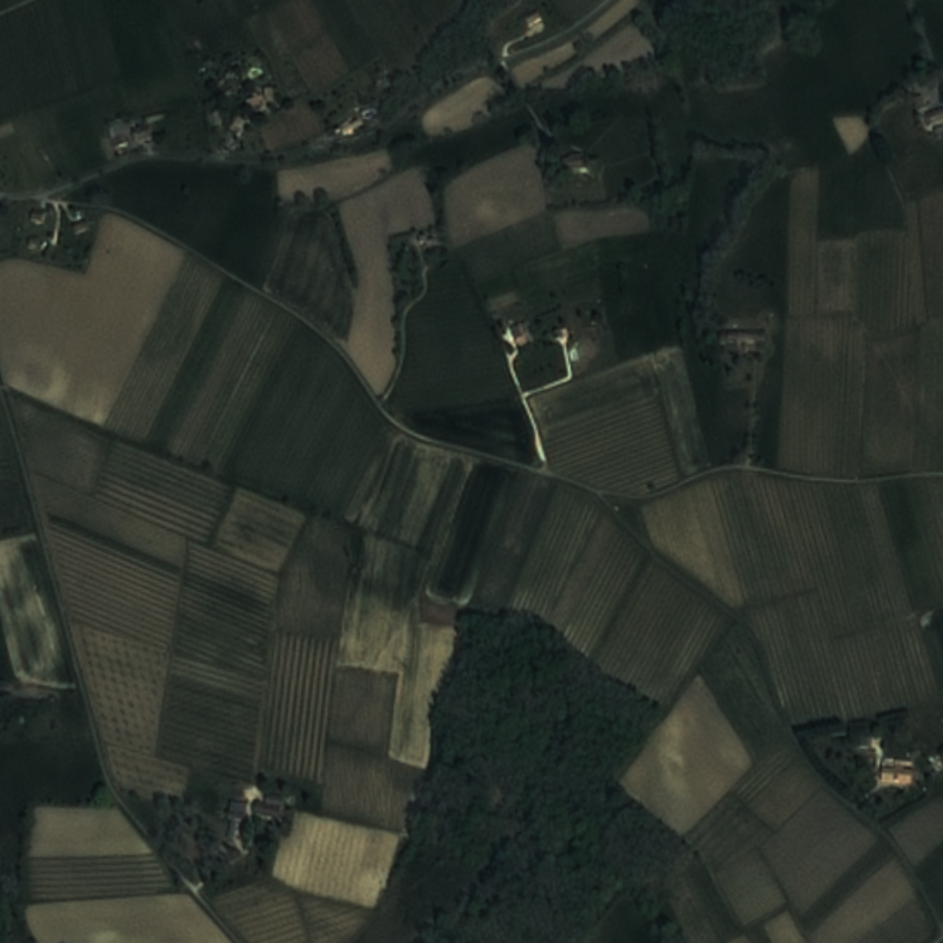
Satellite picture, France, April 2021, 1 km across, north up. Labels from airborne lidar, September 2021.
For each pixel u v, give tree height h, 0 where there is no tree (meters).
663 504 0
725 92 17
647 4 0
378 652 0
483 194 0
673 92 0
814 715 0
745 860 0
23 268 0
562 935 20
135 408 0
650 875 16
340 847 0
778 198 0
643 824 21
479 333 0
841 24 0
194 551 0
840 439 0
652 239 0
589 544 0
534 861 18
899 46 0
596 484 0
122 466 0
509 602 0
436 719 13
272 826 7
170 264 0
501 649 16
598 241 0
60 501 0
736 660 0
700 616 0
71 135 0
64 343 0
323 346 0
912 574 0
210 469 13
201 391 0
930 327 0
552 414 0
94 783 0
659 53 16
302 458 0
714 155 20
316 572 0
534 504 0
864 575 0
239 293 0
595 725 18
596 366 0
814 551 0
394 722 0
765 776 0
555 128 20
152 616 0
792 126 0
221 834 0
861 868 0
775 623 0
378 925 0
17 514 0
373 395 0
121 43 0
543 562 0
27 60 0
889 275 0
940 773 0
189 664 0
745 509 0
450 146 0
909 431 0
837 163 0
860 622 0
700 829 0
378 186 0
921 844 0
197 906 0
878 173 0
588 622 0
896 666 0
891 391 0
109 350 0
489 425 0
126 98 0
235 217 0
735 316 0
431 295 0
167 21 0
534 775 22
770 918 0
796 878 0
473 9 14
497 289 0
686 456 0
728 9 23
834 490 0
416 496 0
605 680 17
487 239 0
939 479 0
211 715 0
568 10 0
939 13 0
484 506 0
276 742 0
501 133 0
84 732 0
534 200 0
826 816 0
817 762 15
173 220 0
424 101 19
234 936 0
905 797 10
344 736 0
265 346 0
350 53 0
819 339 0
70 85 0
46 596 0
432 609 0
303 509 0
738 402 0
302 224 0
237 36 0
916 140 0
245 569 0
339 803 0
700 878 0
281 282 0
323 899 0
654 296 0
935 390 0
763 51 18
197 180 0
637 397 0
